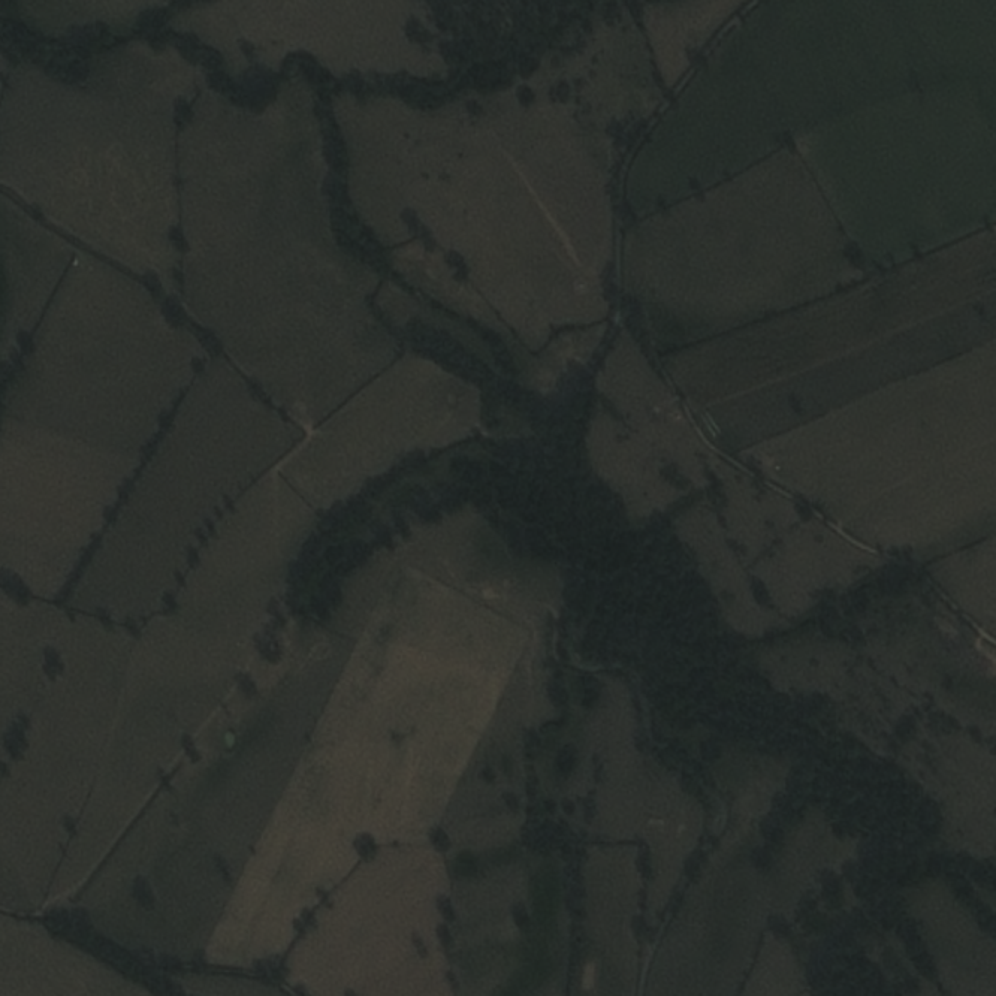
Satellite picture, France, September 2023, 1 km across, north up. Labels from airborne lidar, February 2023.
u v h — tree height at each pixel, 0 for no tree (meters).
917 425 0
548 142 0
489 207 0
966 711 0
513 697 0
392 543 13
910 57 0
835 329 0
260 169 0
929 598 15
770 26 0
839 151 0
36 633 0
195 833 0
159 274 0
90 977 0
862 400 0
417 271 0
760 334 0
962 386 0
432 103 7
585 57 0
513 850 0
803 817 9
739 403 0
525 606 0
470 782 0
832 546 0
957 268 0
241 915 0
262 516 0
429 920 0
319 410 0
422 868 0
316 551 10
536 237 0
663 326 0
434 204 0
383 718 0
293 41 0
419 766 0
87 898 0
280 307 0
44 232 0
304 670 0
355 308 0
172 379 0
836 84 0
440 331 0
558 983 0
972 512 0
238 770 0
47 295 0
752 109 0
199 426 0
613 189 12
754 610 0
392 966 0
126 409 0
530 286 0
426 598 0
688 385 0
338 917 0
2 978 0
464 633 0
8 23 11
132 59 0
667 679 9
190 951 0
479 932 0
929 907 0
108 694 0
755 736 14
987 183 0
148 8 0
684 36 0
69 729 0
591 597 21
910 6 0
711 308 0
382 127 0
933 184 0
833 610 19
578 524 24
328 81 14
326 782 0
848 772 8
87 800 0
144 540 0
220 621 0
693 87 0
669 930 0
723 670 8
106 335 0
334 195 19
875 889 24
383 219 0
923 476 0
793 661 0
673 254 0
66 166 0
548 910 0
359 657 0
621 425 0
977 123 0
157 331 0
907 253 0
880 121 0
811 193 0
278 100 0
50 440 0
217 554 0
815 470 0
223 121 0
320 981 0
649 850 6
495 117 0
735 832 0
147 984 14
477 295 0
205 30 0
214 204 0
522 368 0
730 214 0
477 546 0
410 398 0
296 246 0
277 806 0
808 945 0
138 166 0
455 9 16
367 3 0
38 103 0
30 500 0
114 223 0
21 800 0
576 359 0
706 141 0
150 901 21
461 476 15
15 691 0
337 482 0
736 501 0
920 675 0
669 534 9
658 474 0
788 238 0
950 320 0
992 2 0
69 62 7
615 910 0
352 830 0
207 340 13
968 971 0
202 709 0
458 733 0
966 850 0
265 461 0
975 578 0
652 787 0
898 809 8
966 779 0
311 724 0
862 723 0
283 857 0
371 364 0
